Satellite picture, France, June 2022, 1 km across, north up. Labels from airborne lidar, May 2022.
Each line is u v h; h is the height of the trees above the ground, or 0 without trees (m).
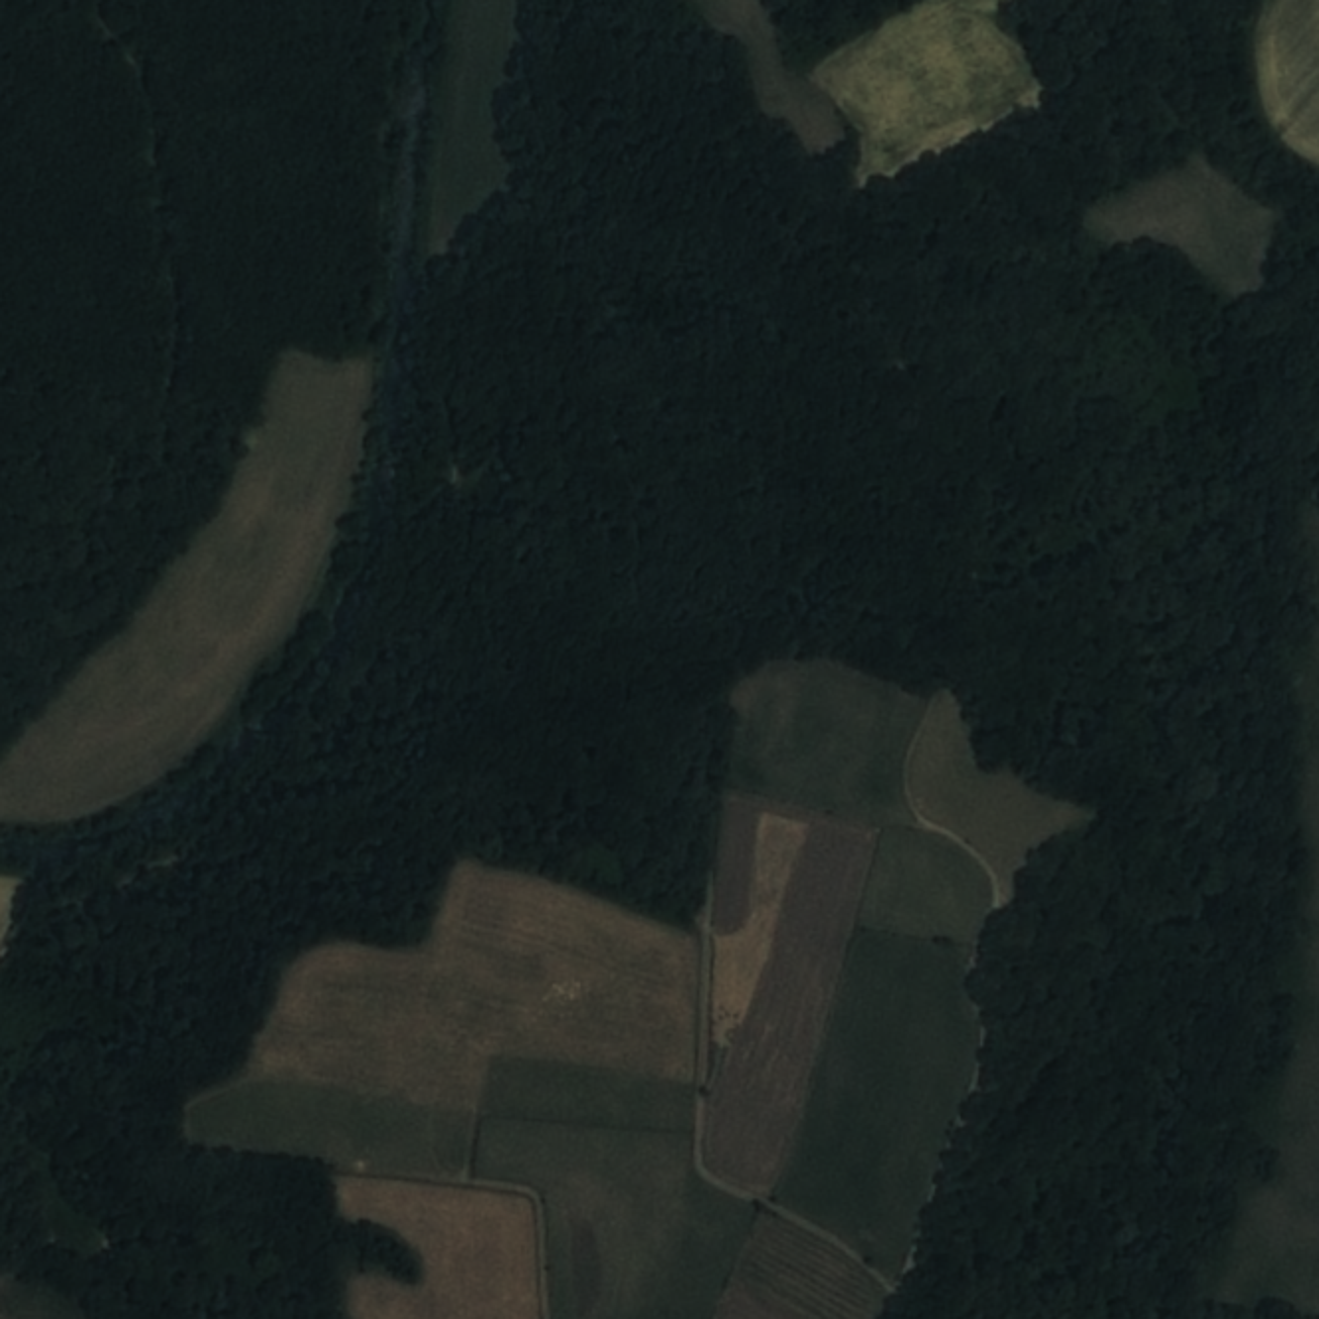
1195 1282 20
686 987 0
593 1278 0
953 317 22
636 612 24
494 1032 0
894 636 35
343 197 17
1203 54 19
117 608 16
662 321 15
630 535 31
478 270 21
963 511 24
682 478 27
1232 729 25
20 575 21
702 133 26
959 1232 19
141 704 0
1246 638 25
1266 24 0
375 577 21
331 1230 13
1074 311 20
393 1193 0
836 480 20
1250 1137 11
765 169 23
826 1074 0
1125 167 17
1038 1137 17
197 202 23
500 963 0
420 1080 0
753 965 0
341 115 16
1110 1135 19
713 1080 0
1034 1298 15
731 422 27
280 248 16
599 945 0
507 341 23
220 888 26
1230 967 26
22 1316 0
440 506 13
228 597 0
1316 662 0
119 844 24
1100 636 24
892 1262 0
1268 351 19
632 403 28
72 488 19
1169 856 21
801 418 25
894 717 0
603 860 0
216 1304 9
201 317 22
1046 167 26
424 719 26
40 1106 21
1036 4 21
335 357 15
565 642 23
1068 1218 26
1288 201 18
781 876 0
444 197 0
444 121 10
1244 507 21
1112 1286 33
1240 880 25
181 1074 27
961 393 20
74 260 21
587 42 27
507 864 9
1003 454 25
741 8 0
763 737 0
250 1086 0
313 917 25
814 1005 0
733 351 27
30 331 21
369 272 24
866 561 24
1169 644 26
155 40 21
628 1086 0
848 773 0
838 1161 0
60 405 22
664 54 19
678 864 18
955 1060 0
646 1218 0
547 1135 0
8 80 17
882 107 0
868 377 22
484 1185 0
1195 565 27
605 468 30
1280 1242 0
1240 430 28
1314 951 0
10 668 21
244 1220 19
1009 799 0
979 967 6
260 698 14
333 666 27
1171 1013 27
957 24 0
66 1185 15
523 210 21
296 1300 18
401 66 16
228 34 20
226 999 28
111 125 19
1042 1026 21
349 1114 0
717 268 24
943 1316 19
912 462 20
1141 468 19
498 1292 0
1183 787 23
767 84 0
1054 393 23
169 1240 27
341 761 25
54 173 19
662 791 29
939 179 26
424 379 24
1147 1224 32
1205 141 10
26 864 11
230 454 14
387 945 12
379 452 13
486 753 22
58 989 10
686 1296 0
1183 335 11
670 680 25
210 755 13
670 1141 0
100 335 22
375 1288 0
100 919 28
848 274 16
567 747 26
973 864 0
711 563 29
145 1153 30
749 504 31
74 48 19
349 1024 0
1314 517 0
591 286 24
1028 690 26
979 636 22
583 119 25
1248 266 0
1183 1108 31
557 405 21
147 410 22
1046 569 26
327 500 0
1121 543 21
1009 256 23
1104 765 30
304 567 0
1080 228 18
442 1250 0
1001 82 0
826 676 0
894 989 0
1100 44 10
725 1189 0
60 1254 21
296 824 29
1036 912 12
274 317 19
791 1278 0
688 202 28
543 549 23
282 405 0
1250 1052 16
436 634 30
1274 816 23
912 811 0
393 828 25
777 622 24
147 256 20
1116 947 15
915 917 0
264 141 18
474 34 0
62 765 0
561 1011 0
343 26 16
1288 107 0
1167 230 0
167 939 30
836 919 0
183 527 21
